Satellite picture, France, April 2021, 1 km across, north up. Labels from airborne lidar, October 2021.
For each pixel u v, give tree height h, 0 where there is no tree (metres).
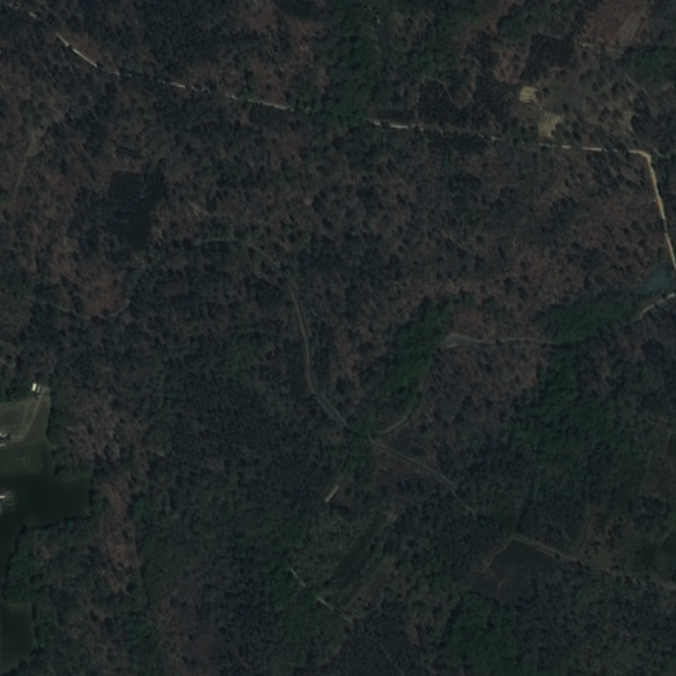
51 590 14
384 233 14
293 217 7
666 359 27
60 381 17
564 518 27
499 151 13
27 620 0
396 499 11
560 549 24
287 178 18
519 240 6
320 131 25
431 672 9
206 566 12
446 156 9
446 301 7
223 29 13
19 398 17
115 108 22
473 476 17
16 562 15
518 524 11
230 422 21
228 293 16
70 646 18
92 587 23
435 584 24
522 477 25
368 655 22
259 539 15
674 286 12
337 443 11
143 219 11
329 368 15
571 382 16
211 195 10
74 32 22
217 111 24
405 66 8
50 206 8
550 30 7
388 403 16
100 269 14
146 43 27
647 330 9
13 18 21
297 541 18
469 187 19
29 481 0
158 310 16
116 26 18
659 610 16
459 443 14
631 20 0
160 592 13
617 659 22
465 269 9
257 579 11
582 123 13
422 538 18
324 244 9
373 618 9
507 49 9
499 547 25
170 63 21
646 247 10
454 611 8
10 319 0
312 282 23
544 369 20
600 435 19
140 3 24
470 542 10
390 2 17
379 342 12
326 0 26
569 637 26
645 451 18
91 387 25
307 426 13
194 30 20
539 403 11
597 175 22
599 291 16
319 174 14
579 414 23
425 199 9
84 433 9
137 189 8
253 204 22
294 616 19
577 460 23
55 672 19
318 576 8
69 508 0
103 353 16
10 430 0
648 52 10
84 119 6
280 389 20
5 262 12
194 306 25
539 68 8
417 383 11
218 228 14
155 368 13
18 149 11
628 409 15
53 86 19
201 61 23
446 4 8
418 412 17
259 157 12
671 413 16
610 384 12
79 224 8
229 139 24
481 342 12
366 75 17
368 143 18
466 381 21
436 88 8
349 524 13
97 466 7
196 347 14
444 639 13
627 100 14
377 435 11
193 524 14
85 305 11
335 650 12
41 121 17
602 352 27
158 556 18
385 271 14
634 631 22
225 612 15
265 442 22
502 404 10
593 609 17
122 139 8
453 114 14
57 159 13
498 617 23
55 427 12
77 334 18
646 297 8
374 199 18
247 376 16
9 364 13
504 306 10
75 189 13
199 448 0
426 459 21
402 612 18
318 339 17
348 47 25
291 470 22
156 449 21
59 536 20
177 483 15
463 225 9
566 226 23
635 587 19
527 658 28
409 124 11
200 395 22
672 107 12
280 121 7
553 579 10
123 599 19
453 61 19
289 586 13
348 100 24
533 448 18
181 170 15
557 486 19
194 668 12
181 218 19
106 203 11
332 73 21
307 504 0
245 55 15
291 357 17
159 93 23
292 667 16
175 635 9
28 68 24
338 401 16
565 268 12
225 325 7
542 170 19
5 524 0
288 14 15
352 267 19
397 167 11
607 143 13
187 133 8
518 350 6
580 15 9
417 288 7
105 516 13
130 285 14
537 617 28
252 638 13
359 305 20
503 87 7
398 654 20
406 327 9
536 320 13
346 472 20
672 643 24
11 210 6
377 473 19
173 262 24
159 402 17
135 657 25
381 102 18
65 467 11
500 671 27
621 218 0
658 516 26
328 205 21
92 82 7
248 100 14
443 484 6
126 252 13
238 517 12
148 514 23
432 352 11
